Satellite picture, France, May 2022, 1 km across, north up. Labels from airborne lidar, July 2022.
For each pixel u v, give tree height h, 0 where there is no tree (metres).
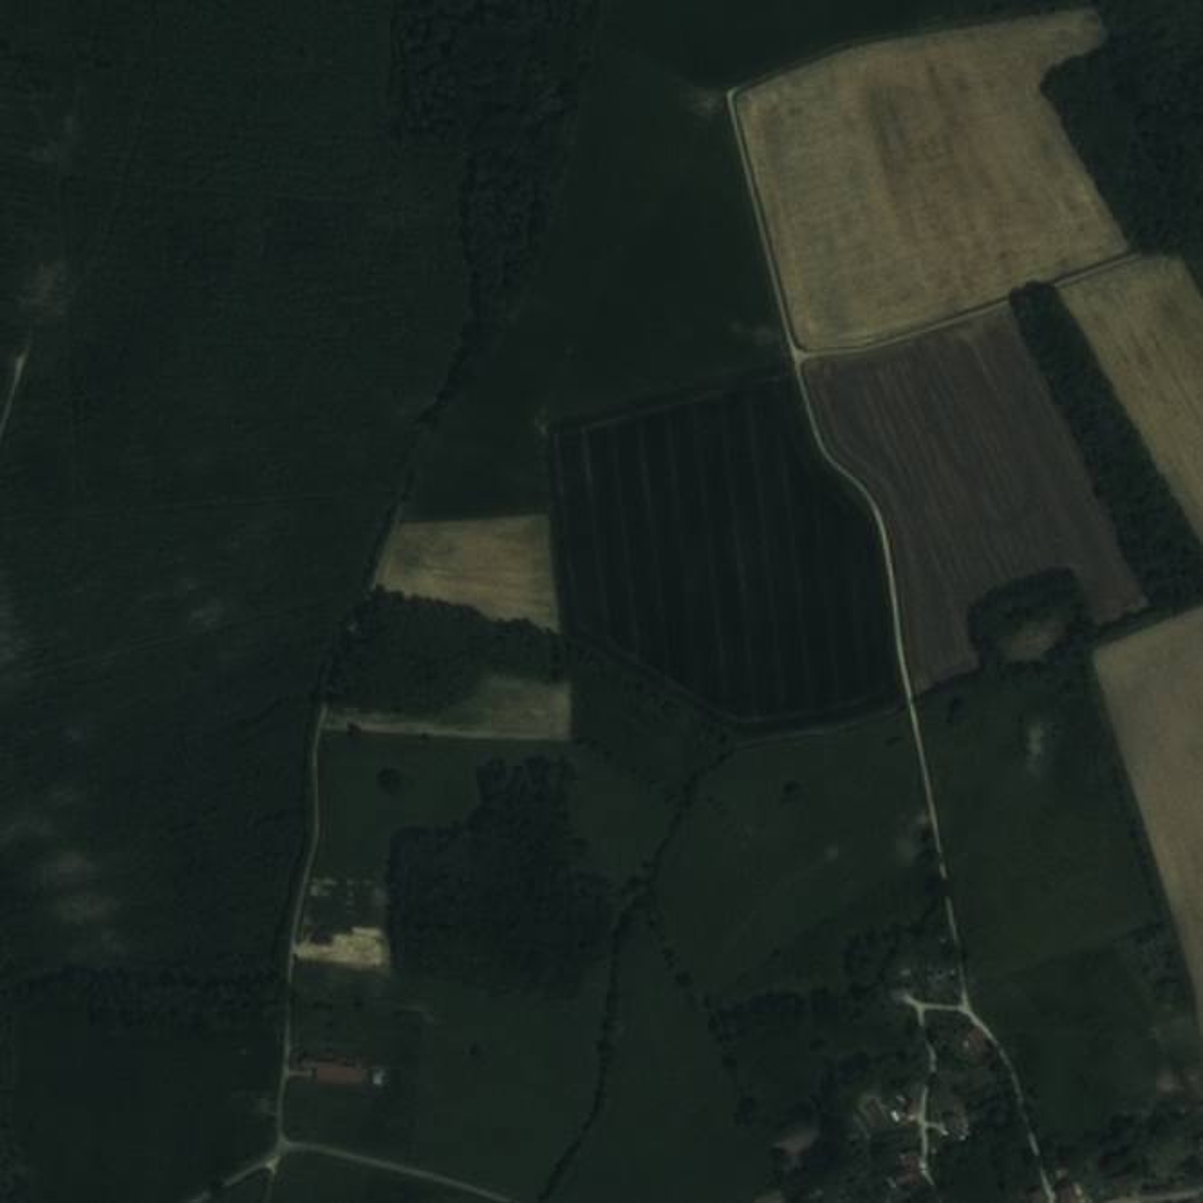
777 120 0
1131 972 0
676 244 0
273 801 6
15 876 9
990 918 0
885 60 0
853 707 0
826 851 0
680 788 0
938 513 0
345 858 0
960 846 0
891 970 6
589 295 0
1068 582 19
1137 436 15
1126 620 10
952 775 0
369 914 0
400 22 6
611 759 11
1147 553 20
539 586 0
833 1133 25
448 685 22
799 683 0
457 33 25
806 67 0
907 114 0
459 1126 0
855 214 0
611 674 11
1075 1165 17
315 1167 0
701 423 0
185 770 5
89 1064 0
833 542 0
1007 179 0
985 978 0
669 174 0
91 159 6
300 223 7
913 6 0
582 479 0
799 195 0
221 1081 0
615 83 0
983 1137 20
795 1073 0
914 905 0
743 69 0
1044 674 17
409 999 0
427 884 26
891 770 0
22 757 8
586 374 0
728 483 0
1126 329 0
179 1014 27
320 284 7
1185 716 0
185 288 6
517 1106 0
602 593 0
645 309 0
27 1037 0
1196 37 22
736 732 0
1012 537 0
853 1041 0
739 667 0
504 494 0
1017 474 0
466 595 0
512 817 20
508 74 21
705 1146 0
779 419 0
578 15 24
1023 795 0
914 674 0
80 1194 0
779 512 0
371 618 20
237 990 13
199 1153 0
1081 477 0
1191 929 0
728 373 0
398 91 9
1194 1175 6
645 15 0
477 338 23
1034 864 0
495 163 28
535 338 0
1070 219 0
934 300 0
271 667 5
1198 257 24
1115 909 0
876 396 0
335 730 0
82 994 21
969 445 0
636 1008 0
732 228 0
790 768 0
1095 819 0
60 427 5
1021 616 19
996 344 0
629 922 16
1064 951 0
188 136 6
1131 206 17
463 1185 0
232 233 9
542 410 0
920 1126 0
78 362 6
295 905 10
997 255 0
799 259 0
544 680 21
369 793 0
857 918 0
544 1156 0
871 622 0
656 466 0
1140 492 25
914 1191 9
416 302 6
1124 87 26
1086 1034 0
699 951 0
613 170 0
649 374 0
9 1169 8
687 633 0
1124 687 0
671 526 0
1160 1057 0
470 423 0
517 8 25
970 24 0
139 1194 0
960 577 0
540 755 0
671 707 10
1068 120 14
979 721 0
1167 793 0
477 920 20
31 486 6
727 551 0
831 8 0
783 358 0
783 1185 9
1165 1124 15
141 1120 0
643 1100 0
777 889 0
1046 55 0
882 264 0
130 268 6
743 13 0
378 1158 0
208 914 6
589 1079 0
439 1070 0
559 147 20
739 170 0
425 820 0
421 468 0
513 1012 0
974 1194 0
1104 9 17
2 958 24
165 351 6
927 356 0
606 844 0
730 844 0
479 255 23
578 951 26
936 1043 17
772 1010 22
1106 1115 0
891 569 0
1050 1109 0
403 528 0
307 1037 0
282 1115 0
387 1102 0
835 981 0
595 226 0
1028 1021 0
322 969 0
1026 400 0
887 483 0
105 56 5
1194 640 0
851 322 0
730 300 0
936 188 0
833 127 0
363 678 20
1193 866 0
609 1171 0
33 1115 0
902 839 0
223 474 7
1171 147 22
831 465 0
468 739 0
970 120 0
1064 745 0
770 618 0
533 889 25
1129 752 0
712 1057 0
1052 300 21
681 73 0
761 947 0
